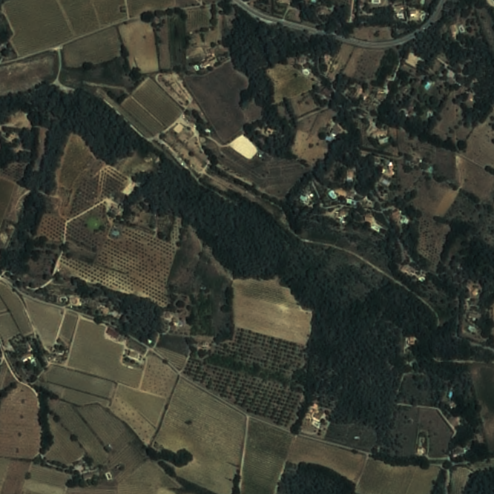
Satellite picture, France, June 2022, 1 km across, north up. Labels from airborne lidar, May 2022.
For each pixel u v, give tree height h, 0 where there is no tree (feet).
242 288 0
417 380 63
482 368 0
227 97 0
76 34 0
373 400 61
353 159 35
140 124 0
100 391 0
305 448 0
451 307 31
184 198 47
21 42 0
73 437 32
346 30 54
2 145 40
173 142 0
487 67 26
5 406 0
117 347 0
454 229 28
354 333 55
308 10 70
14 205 0
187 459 40
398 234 33
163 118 0
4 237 0
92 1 0
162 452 27
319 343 36
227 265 48
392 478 0
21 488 0
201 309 21
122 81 0
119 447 0
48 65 0
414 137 47
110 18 0
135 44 0
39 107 68
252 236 44
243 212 56
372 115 36
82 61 0
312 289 65
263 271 71
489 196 0
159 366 0
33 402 0
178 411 0
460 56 69
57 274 33
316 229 23
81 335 0
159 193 59
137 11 0
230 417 0
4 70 0
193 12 0
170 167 53
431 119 52
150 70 0
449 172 0
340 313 74
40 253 49
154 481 0
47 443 46
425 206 0
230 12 29
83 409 0
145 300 52
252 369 22
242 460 0
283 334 0
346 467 0
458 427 23
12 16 0
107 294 69
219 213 56
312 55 27
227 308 42
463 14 42
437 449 0
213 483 0
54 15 0
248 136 52
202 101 0
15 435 0
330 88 18
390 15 65
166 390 0
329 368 49
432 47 51
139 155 0
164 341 0
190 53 0
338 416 61
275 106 40
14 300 0
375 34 24
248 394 25
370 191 31
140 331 21
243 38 50
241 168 0
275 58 68
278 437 0
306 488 54
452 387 49
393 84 51
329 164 72
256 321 0
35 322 0
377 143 24
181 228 26
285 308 0
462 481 0
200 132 24
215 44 29
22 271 58
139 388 0
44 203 79
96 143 72
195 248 0
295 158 32
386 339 47
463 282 52
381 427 60
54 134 70
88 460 33
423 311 60
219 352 31
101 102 50
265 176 24
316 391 57
